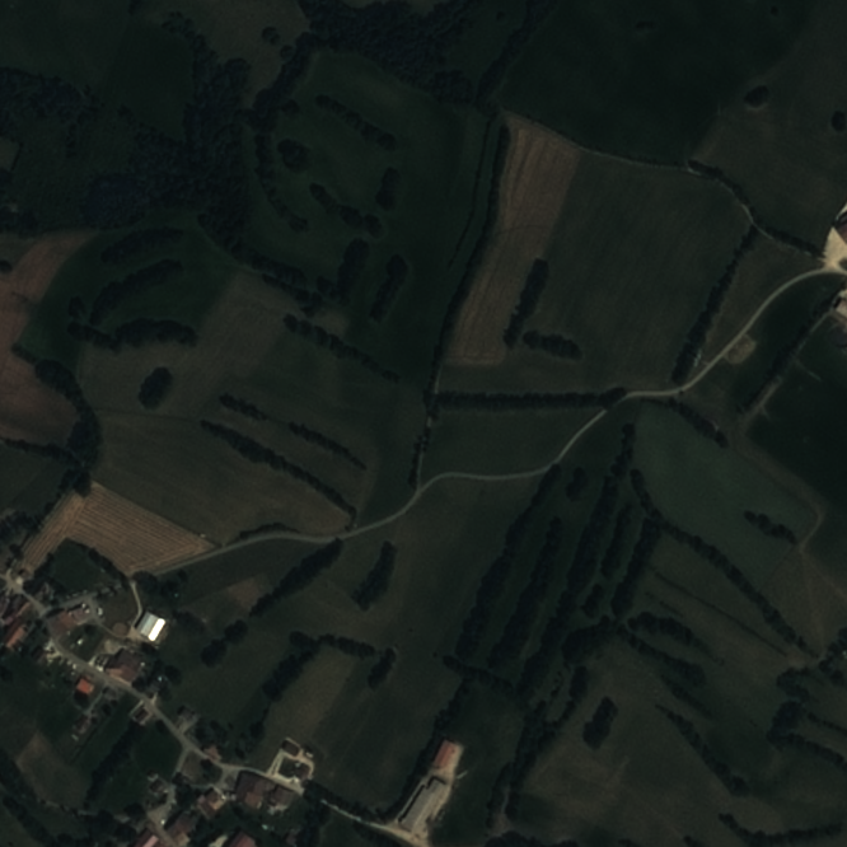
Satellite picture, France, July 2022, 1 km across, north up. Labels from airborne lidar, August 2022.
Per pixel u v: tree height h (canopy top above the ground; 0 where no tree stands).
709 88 0
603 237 0
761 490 0
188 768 0
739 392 0
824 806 0
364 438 0
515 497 0
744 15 0
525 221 0
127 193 30
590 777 0
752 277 0
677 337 0
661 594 0
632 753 0
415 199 0
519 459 0
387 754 0
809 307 0
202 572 0
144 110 0
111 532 0
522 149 0
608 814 0
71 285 0
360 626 0
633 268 0
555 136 0
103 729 0
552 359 0
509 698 13
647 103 0
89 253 0
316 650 20
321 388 0
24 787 18
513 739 0
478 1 14
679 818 0
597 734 23
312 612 0
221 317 0
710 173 14
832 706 0
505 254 0
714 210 0
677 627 20
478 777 0
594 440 0
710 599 0
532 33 7
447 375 0
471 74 0
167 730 14
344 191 0
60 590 15
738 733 0
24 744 0
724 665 0
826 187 0
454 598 0
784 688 15
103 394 0
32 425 0
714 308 14
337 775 0
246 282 0
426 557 0
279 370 0
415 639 0
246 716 0
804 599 0
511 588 0
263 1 0
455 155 0
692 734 18
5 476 0
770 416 0
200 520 0
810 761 0
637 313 0
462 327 0
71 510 0
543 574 16
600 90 0
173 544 0
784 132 0
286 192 0
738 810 0
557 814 0
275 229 0
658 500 0
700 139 0
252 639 0
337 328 0
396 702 0
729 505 0
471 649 17
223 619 0
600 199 0
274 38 12
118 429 0
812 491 0
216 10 0
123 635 0
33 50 0
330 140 0
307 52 18
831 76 0
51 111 30
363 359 7
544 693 0
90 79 0
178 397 0
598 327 0
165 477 0
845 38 0
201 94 6
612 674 0
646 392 0
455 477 0
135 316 0
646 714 0
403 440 0
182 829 0
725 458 0
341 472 0
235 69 19
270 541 0
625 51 0
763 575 0
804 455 0
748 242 15
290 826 0
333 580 0
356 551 0
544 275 18
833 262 0
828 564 0
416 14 7
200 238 0
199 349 0
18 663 0
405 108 0
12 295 0
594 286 0
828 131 0
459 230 0
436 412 10
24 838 0
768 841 20
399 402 0
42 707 0
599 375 0
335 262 0
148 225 0
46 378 21
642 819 0
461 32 19
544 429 0
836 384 0
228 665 0
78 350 0
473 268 8
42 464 0
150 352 0
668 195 0
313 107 0
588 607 9
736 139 0
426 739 0
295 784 0
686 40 0
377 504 0
